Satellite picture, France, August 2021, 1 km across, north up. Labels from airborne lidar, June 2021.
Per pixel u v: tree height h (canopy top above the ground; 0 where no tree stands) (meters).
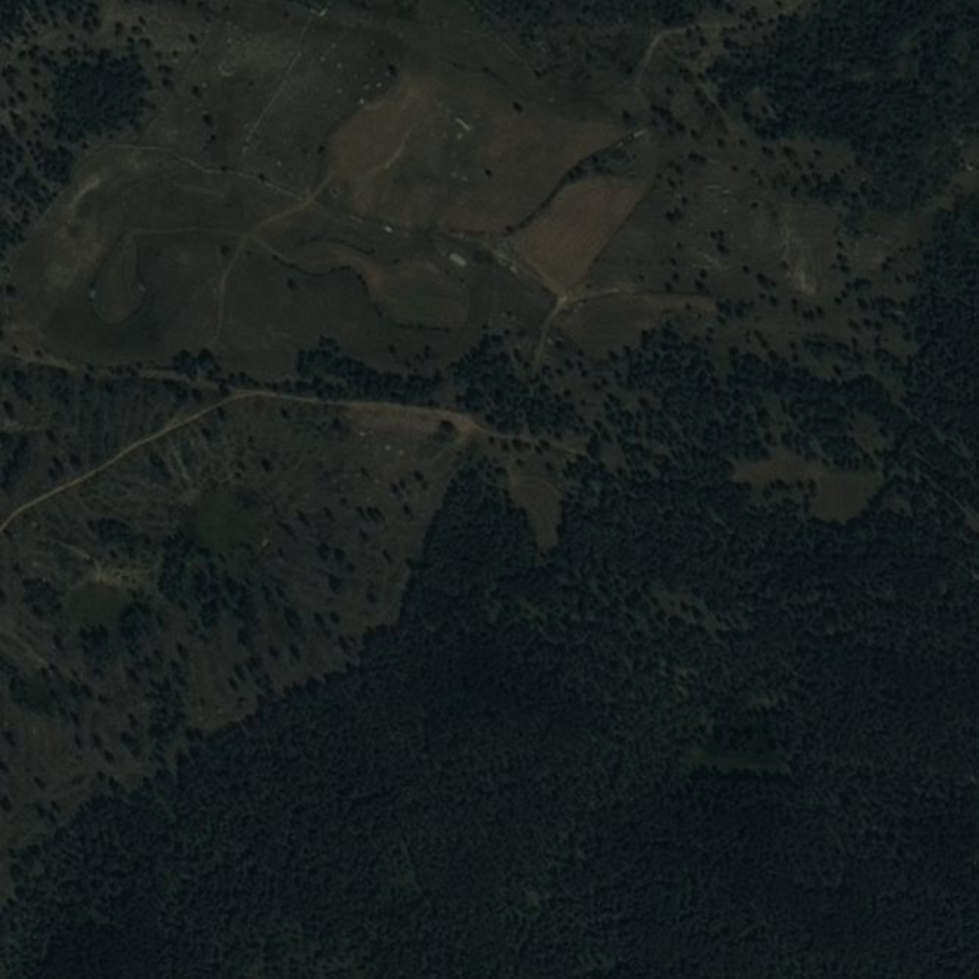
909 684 20
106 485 0
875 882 20
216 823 12
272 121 0
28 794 0
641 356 7
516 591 22
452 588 17
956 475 18
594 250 0
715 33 0
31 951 17
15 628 0
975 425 14
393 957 12
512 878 17
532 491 0
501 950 15
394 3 0
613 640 17
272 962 9
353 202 0
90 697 17
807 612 13
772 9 0
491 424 14
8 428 0
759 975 13
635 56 0
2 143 10
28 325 0
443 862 17
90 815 14
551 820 18
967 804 17
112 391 15
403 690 19
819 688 20
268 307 0
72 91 12
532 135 0
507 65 0
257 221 0
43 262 0
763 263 0
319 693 20
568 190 0
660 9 8
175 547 13
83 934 24
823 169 0
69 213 0
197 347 0
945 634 17
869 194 14
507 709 22
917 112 9
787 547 14
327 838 13
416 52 0
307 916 13
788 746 16
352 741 19
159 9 0
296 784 18
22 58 8
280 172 0
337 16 0
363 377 14
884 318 12
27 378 13
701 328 0
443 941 12
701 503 16
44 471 0
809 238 0
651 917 14
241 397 0
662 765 12
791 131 13
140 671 12
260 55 0
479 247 0
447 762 12
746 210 0
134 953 24
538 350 0
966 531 12
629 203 0
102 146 0
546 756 14
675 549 15
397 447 0
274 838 14
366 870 12
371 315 0
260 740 16
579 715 22
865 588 12
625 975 15
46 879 10
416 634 18
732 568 9
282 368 0
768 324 0
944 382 11
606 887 9
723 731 8
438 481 0
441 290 0
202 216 0
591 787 14
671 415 14
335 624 14
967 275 10
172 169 0
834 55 11
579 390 0
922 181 8
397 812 20
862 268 0
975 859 15
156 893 19
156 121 0
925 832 24
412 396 12
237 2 0
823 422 15
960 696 19
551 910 12
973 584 7
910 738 17
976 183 0
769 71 9
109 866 16
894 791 18
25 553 0
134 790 0
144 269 0
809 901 19
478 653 24
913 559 17
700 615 16
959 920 14
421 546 0
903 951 10
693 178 0
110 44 0
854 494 0
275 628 0
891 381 0
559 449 0
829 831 19
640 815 18
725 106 15
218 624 15
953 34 14
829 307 0
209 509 0
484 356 12
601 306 0
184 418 0
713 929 12
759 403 11
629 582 15
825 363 0
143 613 17
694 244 0
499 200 0
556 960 11
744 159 0
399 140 0
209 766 18
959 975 13
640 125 0
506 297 0
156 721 8
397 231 0
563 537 15
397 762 16
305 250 0
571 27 0
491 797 18
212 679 0
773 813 22
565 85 0
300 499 0
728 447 18
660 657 12
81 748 13
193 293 0
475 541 18
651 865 22
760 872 21
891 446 0
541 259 0
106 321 0
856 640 15
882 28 13
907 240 0
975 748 16
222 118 0
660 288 0
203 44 0
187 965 14
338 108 0
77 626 0
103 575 0
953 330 15
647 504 13
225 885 8
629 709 14
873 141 10
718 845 19
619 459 0
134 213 0
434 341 0
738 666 14
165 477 13
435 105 0
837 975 11
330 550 12
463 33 0
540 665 22
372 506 0
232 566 0
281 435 0
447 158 0
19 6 9
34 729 0
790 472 0
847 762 19
